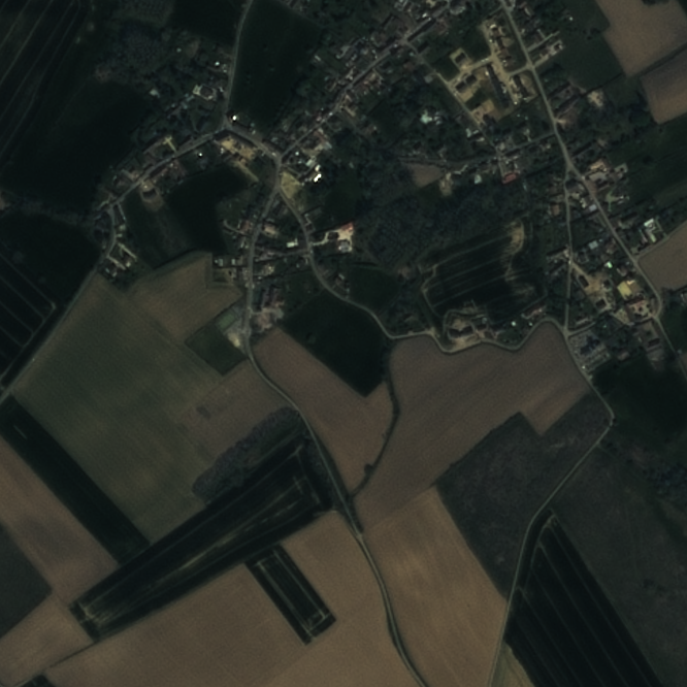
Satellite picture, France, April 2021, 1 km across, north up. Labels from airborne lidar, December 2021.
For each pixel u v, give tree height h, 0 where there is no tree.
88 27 0
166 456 0
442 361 0
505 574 0
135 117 0
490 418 0
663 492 10
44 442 0
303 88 12
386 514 0
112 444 0
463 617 0
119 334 0
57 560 0
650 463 0
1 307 0
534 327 0
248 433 0
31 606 0
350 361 0
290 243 0
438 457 0
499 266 0
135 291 0
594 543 0
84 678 0
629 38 0
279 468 0
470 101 0
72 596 0
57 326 0
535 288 0
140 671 0
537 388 0
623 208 7
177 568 0
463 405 0
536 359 0
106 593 0
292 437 0
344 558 0
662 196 0
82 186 0
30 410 0
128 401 0
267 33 0
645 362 0
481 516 0
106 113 0
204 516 0
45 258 0
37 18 0
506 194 28
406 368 0
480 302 0
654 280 0
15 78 0
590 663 0
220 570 0
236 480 20
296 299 0
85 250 0
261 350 0
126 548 0
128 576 0
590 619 0
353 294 0
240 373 0
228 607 0
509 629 0
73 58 0
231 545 0
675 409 0
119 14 18
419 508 0
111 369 0
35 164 0
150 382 0
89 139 0
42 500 0
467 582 0
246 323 0
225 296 0
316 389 0
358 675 0
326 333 0
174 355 0
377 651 0
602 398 6
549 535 0
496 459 0
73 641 0
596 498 0
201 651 0
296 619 0
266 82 0
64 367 0
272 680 0
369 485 0
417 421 0
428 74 0
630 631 0
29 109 0
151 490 0
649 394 0
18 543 0
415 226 26
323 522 0
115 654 0
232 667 0
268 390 0
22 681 0
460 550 0
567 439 0
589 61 0
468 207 25
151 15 34
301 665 0
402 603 0
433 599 0
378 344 0
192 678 0
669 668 0
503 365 0
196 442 0
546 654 0
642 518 0
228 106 0
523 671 0
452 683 0
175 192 0
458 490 0
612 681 0
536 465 0
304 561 0
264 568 0
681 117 0
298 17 0
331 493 14
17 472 0
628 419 0
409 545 0
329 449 0
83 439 0
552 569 0
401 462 0
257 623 0
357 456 0
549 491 0
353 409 0
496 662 0
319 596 0
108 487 0
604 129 14
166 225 0
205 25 0
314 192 17
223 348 0
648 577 0
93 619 0
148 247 0
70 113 0
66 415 0
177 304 0
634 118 15
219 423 0
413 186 33
